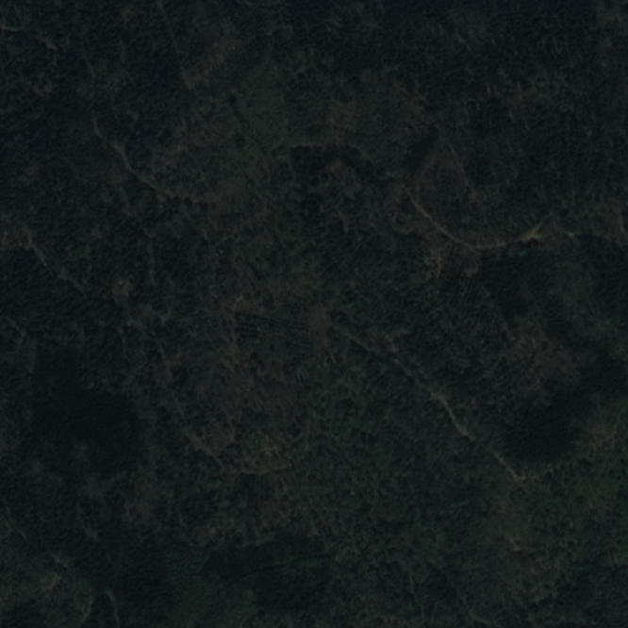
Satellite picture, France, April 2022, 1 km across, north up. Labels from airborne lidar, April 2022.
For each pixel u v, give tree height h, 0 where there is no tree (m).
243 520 20
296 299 9
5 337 13
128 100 22
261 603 19
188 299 21
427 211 15
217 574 15
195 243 23
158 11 28
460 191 11
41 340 24
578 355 16
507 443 18
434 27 14
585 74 21
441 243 13
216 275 16
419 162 14
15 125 27
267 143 15
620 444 15
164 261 25
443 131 14
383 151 14
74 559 17
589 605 21
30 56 28
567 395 17
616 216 20
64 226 23
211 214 19
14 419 22
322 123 15
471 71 19
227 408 14
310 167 11
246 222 30
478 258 6
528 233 11
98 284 28
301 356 6
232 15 17
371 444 29
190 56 13
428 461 21
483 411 19
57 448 14
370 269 26
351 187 29
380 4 21
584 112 20
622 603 20
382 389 27
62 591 16
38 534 28
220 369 17
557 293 13
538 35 16
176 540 15
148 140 21
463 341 8
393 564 11
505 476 17
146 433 14
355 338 15
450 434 16
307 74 11
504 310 13
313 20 20
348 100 12
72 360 12
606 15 14
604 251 32
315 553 11
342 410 28
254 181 19
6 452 25
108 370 29
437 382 17
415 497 25
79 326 24
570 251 18
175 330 16
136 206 17
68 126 20
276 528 20
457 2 23
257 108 15
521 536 17
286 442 21
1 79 21
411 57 18
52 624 20
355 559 16
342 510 27
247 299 14
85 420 16
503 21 21
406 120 13
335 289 7
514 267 16
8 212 20
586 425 12
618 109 18
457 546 21
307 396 25
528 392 8
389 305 24
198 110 11
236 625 14
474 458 18
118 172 9
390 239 24
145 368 28
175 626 15
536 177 25
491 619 11
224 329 14
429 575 18
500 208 21
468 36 21
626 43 18
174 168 8
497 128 22
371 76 12
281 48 19
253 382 16
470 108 17
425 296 10
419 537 16
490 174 19
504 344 22
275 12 14
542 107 18
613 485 11
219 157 20
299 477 16
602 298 28
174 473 18
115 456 16
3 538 18
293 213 26
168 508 22
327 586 21
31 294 21
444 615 24
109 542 23
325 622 13
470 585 17
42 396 14
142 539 18
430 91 12
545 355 9
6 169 24
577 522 21
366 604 14
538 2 19
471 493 22
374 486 22
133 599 24
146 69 19
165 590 18
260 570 18
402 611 19
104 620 23
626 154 20
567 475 19
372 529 22
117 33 27
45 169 21
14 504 27
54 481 28
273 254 12
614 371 15
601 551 22
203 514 17
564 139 22
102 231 27
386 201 14
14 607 19
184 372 7
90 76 23
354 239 30
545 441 19
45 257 18
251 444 11
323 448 24
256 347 6
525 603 22
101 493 23
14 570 18
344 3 25
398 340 18
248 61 20
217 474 10
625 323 17
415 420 21
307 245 6
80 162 20
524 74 19
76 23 20
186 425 15
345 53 17
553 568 20
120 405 14
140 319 24
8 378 24
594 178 22
